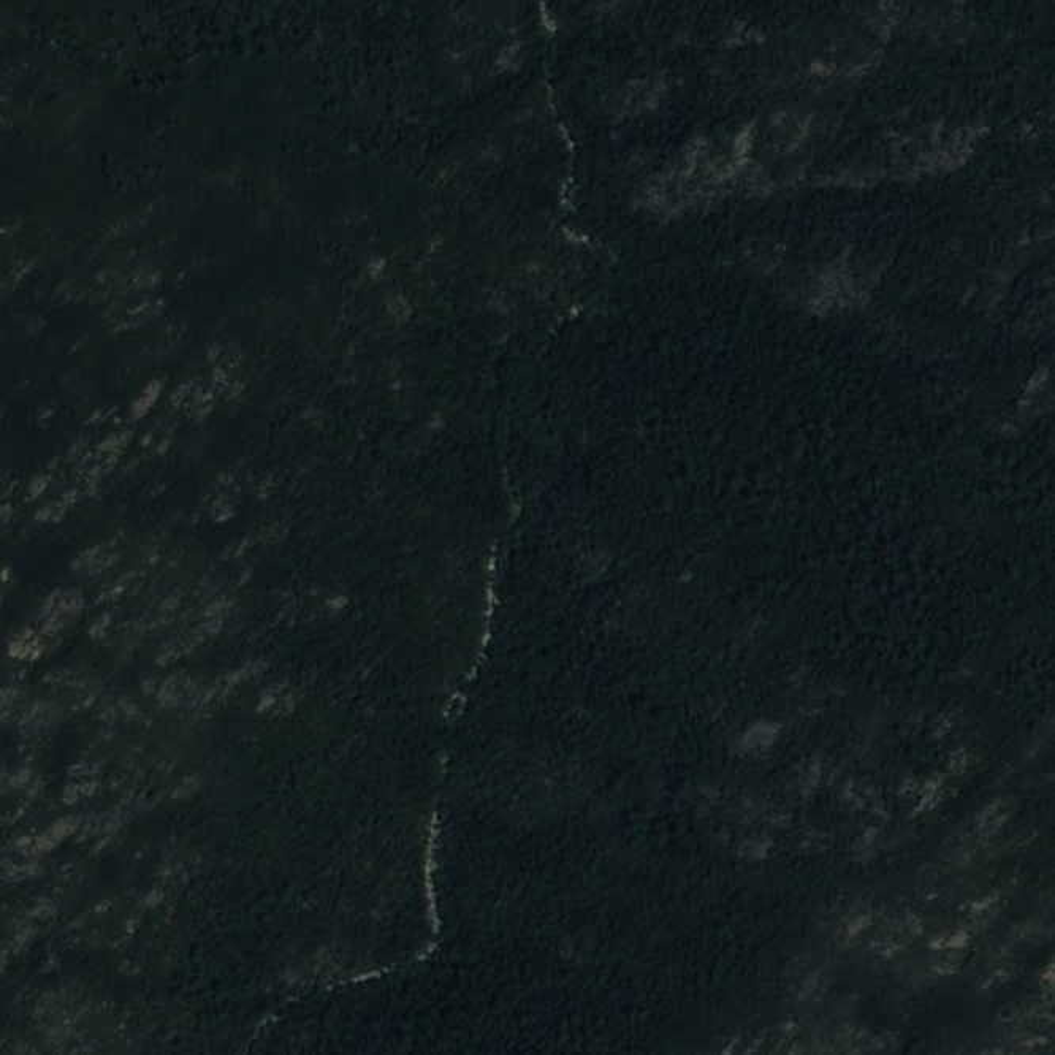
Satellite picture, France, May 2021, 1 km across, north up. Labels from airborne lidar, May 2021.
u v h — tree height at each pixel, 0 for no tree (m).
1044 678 17
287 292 6
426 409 10
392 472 14
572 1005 15
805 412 13
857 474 9
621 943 11
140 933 12
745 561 6
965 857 0
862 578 15
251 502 8
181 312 8
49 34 10
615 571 18
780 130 7
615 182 11
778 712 6
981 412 8
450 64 7
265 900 19
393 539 13
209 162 6
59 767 8
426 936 14
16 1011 6
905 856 9
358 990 13
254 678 8
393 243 7
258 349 6
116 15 20
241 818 10
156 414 7
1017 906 6
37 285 7
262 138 6
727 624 7
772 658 10
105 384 7
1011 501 18
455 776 18
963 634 17
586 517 7
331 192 8
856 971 6
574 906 12
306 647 13
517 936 9
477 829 14
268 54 20
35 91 13
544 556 11
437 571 14
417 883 13
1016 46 8
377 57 11
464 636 11
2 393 6
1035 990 8
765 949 9
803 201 8
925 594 13
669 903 12
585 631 10
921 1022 8
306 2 14
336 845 21
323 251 17
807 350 19
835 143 12
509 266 11
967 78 9
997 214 7
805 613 8
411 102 10
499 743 8
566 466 13
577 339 29
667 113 13
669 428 16
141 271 0
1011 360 9
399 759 20
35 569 6
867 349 6
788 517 8
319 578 11
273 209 6
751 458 7
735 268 6
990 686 6
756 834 8
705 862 7
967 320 10
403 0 12
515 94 18
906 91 19
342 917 9
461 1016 19
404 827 14
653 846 10
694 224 16
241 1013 16
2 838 8
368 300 8
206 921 6
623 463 11
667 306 12
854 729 9
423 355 22
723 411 12
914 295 17
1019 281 10
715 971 18
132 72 6
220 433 7
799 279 6
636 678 12
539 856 10
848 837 9
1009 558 12
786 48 7
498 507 14
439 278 11
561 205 11
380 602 17
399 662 22
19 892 7
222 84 6
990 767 8
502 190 22
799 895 6
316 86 10
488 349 17
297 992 9
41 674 6
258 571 7
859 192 8
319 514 14
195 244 6
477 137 12
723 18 6
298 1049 9
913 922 0
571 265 7
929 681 9
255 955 14
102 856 6
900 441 15
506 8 5
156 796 22
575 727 6
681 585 9
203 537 7
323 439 14
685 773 12
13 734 7
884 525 22
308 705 8
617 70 7
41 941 7
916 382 8
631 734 11
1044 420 11
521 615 16
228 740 8
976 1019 5
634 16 11
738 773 7
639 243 15
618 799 7
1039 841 6
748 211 20
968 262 6
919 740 7
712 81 12
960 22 10
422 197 7
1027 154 15
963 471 7
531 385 13
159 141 5
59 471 7
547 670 13
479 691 17
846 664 12
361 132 10
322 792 11
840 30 6
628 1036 10
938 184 10
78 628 6
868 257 11
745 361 14
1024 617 14
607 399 13
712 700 8
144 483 7
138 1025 11
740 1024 6
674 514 8
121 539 5
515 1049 9
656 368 13
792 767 8
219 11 15
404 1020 18
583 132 19
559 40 11
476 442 13
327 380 10
